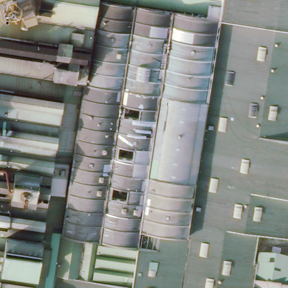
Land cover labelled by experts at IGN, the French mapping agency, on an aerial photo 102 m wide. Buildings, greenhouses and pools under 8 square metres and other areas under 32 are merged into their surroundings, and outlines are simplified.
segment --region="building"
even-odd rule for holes
[[[0,0],[0,288],[288,288],[288,0]]]

